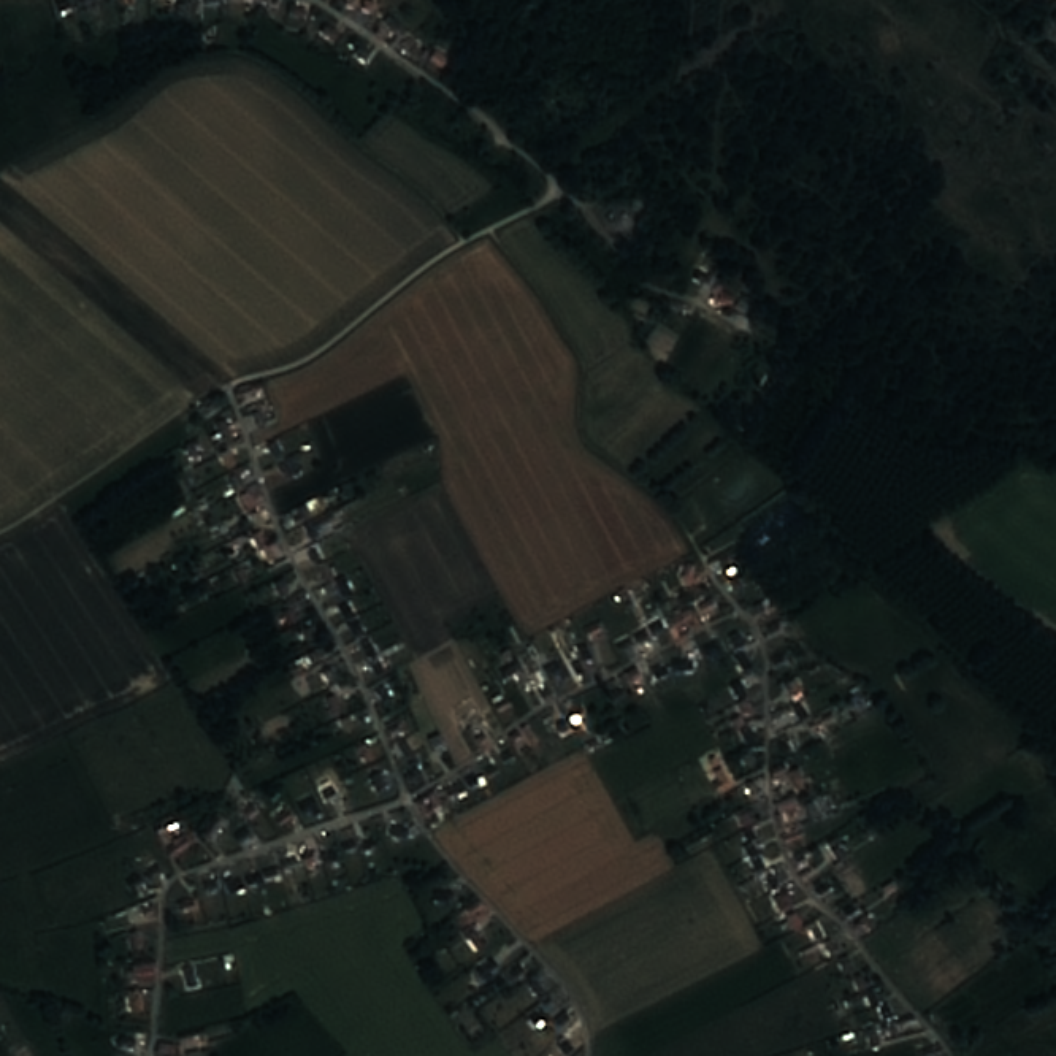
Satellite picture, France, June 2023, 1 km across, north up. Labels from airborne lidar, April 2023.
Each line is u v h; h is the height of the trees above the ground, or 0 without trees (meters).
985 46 0
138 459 0
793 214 11
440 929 6
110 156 0
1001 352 13
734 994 0
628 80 9
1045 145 0
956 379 14
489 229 0
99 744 0
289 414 0
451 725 0
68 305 0
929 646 0
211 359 0
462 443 0
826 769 0
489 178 0
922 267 10
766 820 0
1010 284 0
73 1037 0
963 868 32
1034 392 16
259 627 14
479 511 0
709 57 0
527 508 0
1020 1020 0
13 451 0
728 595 0
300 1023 0
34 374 0
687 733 0
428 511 0
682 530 0
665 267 15
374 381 0
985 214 0
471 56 15
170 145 0
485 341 0
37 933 0
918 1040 0
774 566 40
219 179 0
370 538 0
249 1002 0
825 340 18
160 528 0
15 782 0
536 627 0
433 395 0
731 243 12
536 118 5
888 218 13
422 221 0
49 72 0
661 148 7
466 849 0
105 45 0
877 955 0
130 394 0
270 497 0
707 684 0
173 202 0
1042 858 0
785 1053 0
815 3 0
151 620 14
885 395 6
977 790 0
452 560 0
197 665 0
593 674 0
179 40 11
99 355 0
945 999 0
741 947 0
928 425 15
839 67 0
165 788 0
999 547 0
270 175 0
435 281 0
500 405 0
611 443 0
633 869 0
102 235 0
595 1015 0
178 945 0
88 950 0
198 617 0
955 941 0
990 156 0
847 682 0
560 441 0
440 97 6
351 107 0
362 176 0
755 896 0
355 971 0
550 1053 0
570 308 0
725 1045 0
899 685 0
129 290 0
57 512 0
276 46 0
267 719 0
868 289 7
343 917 0
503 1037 0
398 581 0
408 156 0
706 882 0
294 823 0
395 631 0
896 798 17
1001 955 14
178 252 0
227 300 0
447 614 0
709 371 0
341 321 0
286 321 0
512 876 0
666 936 0
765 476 0
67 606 0
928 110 0
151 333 0
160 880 0
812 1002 0
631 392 0
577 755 0
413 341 0
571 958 0
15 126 0
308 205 0
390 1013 0
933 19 0
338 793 0
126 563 0
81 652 0
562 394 0
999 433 15
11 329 0
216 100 0
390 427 0
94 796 0
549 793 0
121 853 0
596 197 10
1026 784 0
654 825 0
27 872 0
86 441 0
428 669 0
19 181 0
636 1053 0
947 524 0
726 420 22
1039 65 0
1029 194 0
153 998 0
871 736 0
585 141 0
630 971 0
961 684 0
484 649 0
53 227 0
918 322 9
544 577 0
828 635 0
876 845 0
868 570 15
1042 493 0
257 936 0
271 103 0
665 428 0
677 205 15
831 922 0
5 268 0
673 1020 0
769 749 0
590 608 0
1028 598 0
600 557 0
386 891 0
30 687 0
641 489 0
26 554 0
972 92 0
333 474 0
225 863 0
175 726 0
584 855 0
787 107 7
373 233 0
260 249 0
